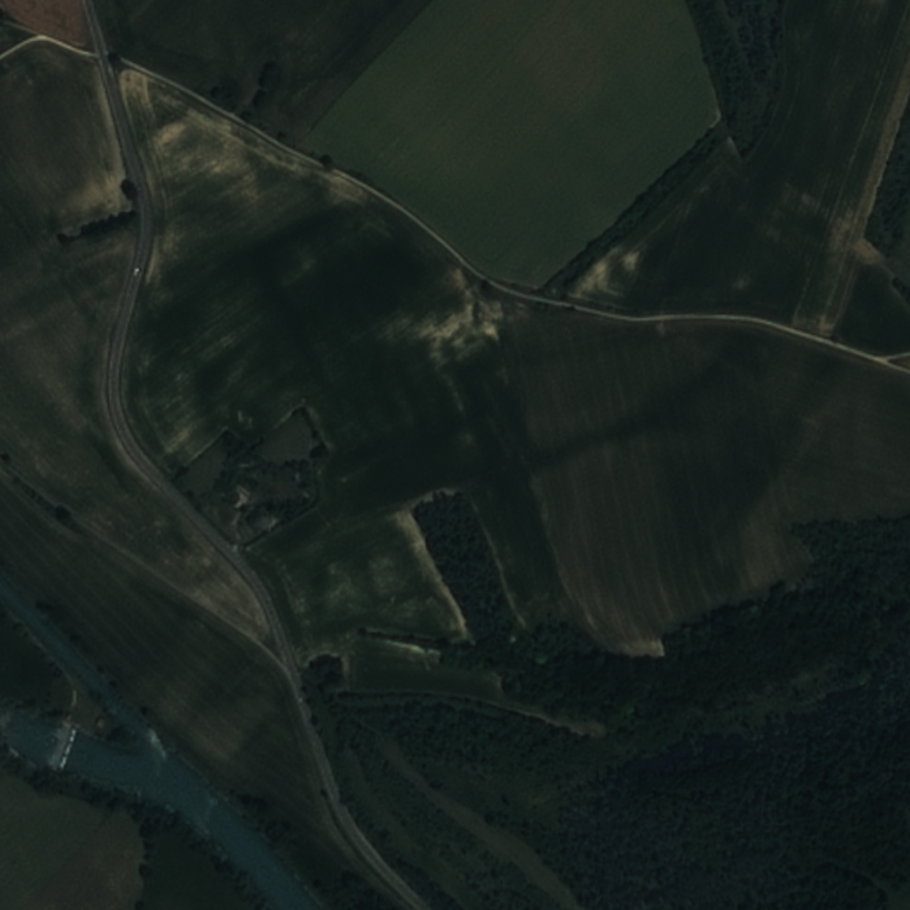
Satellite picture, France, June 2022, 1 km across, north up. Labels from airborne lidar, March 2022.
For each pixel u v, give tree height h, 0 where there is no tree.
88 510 0
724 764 28
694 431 0
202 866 0
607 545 0
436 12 0
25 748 0
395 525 0
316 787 0
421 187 0
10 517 0
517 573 0
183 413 0
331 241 0
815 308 0
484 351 0
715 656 19
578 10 0
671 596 0
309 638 0
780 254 0
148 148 0
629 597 0
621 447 0
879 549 6
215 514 0
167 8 0
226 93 6
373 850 0
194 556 0
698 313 0
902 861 23
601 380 0
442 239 0
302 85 0
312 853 0
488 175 0
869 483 0
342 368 0
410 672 0
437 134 0
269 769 0
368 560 0
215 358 0
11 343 0
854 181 0
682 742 0
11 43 0
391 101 0
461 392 0
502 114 0
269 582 0
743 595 0
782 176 0
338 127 0
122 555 0
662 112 0
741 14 11
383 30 0
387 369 0
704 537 0
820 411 0
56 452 0
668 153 0
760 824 17
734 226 0
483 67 0
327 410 0
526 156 0
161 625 0
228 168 0
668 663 14
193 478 0
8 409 0
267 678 0
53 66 0
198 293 0
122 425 0
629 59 0
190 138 0
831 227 0
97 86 0
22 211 0
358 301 0
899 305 0
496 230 0
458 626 0
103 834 0
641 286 0
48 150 0
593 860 12
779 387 0
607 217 0
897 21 0
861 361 0
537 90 0
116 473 0
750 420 0
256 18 0
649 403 0
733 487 0
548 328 0
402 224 0
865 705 14
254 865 0
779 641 17
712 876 19
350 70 0
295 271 0
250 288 0
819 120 0
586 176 0
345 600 0
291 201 0
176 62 0
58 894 0
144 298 0
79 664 0
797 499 0
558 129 0
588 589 0
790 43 0
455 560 6
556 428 0
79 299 0
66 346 0
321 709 0
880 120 0
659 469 0
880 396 0
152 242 0
